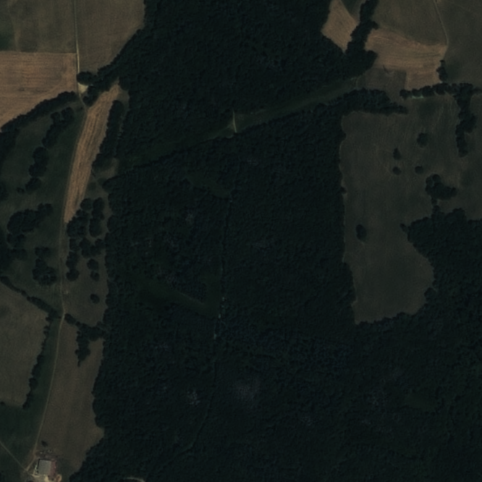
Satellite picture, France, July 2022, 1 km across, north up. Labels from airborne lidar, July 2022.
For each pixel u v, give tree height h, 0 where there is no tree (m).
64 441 0
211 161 24
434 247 21
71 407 0
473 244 19
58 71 0
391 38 0
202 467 18
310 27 19
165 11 26
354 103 20
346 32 0
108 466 24
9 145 19
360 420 24
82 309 0
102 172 0
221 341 20
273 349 19
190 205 22
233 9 20
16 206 0
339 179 14
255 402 13
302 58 21
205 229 29
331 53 19
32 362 0
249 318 21
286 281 14
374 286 0
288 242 19
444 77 19
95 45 0
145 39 11
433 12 0
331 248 19
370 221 0
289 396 10
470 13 0
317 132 21
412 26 0
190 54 28
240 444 14
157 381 20
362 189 0
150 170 21
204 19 22
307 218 23
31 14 0
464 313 28
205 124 29
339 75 15
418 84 0
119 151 17
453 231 21
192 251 5
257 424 20
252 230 18
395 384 8
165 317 8
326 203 19
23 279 0
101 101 0
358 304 0
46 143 18
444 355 20
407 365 14
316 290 16
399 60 0
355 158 0
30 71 0
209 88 19
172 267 7
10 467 0
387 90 0
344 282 17
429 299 15
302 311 20
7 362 0
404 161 0
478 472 23
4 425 0
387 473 18
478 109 0
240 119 0
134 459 20
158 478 19
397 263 0
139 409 22
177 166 23
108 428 17
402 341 17
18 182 0
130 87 14
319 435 20
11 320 0
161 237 19
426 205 0
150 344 26
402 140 0
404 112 15
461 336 19
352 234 0
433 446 21
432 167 0
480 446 24
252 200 19
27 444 0
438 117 0
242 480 18
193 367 7
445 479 22
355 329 18
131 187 20
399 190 0
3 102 0
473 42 0
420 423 19
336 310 17
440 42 0
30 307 0
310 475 20
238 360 20
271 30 24
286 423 17
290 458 20
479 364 21
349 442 8
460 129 14
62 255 0
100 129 0
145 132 20
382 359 19
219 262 16
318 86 19
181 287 13
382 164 0
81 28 0
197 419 18
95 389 11
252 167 17
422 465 21
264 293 21
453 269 16
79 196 0
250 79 20
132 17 0
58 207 0
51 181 0
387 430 22
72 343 0
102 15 0
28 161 0
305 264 19
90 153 0
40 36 0
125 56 16
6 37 0
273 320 7
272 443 25
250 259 16
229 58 23
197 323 18
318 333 16
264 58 20
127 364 20
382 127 0
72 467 0
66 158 0
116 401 21
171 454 19
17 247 22
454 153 0
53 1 0
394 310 0
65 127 17
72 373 0
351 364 20
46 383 0
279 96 21
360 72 14
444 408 22
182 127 22
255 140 22
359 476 20
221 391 17
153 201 20
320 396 17
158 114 22
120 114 19
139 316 18
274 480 22
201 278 27
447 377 19
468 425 20
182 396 25
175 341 23
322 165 18
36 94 0
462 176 0
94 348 0
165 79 23
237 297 21
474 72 0
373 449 18
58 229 0
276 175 18
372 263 0
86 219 17
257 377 16
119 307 14
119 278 20
